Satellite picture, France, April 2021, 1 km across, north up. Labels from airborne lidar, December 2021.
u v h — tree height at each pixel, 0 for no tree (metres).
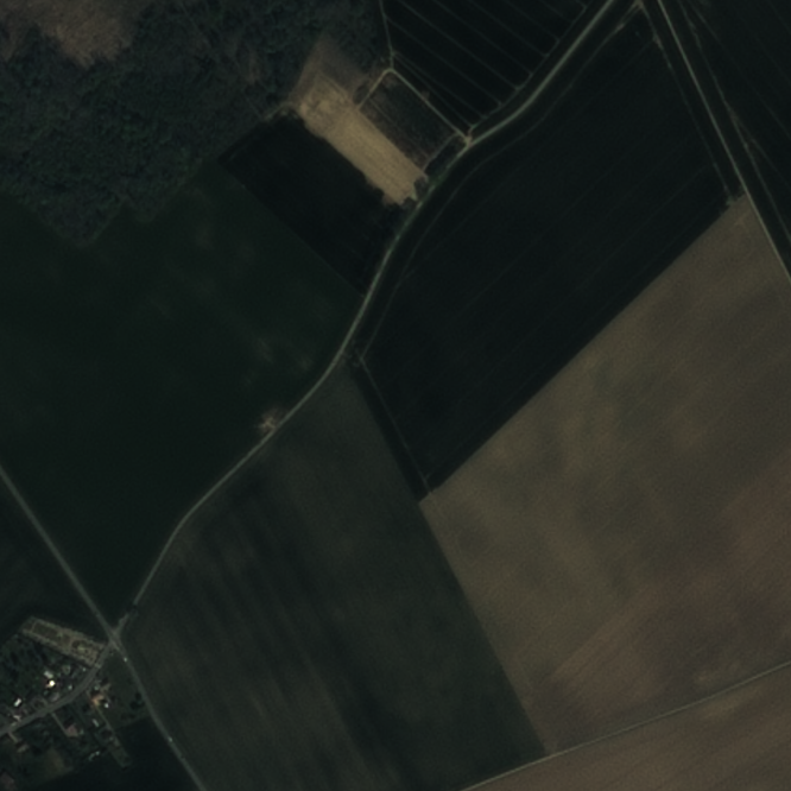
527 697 0
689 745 0
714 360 0
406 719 0
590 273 0
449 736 0
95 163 12
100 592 0
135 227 0
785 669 0
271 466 0
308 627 0
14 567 0
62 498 0
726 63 0
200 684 0
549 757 0
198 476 0
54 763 0
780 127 0
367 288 0
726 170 0
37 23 0
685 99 0
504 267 0
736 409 0
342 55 0
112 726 0
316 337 0
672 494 0
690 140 0
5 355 0
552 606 0
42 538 0
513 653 0
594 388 0
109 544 0
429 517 0
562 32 0
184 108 18
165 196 13
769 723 0
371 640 0
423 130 0
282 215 0
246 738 0
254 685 0
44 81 24
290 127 0
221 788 0
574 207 0
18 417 0
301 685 0
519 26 0
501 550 0
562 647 0
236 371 0
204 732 0
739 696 0
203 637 0
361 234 0
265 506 0
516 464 0
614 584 0
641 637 0
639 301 0
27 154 10
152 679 0
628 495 0
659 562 0
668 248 0
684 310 0
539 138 0
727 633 0
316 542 0
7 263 0
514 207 0
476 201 0
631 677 0
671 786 0
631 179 0
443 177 12
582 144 0
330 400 0
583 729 0
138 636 0
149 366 0
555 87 0
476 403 0
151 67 13
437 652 0
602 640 0
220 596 0
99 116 20
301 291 0
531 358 0
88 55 0
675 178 0
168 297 0
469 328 0
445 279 0
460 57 0
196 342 0
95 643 0
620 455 0
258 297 0
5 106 23
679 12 0
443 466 0
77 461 0
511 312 0
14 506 0
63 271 0
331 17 15
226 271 0
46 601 0
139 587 0
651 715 0
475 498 0
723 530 0
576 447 0
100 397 0
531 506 0
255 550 0
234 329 0
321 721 0
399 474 0
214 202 0
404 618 0
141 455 0
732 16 0
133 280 0
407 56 0
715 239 0
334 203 0
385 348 0
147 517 0
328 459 0
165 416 0
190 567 0
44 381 0
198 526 0
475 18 0
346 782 0
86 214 21
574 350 0
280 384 0
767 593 0
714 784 0
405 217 16
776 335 0
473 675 0
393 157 0
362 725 0
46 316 0
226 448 0
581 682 0
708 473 0
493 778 0
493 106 0
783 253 0
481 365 0
